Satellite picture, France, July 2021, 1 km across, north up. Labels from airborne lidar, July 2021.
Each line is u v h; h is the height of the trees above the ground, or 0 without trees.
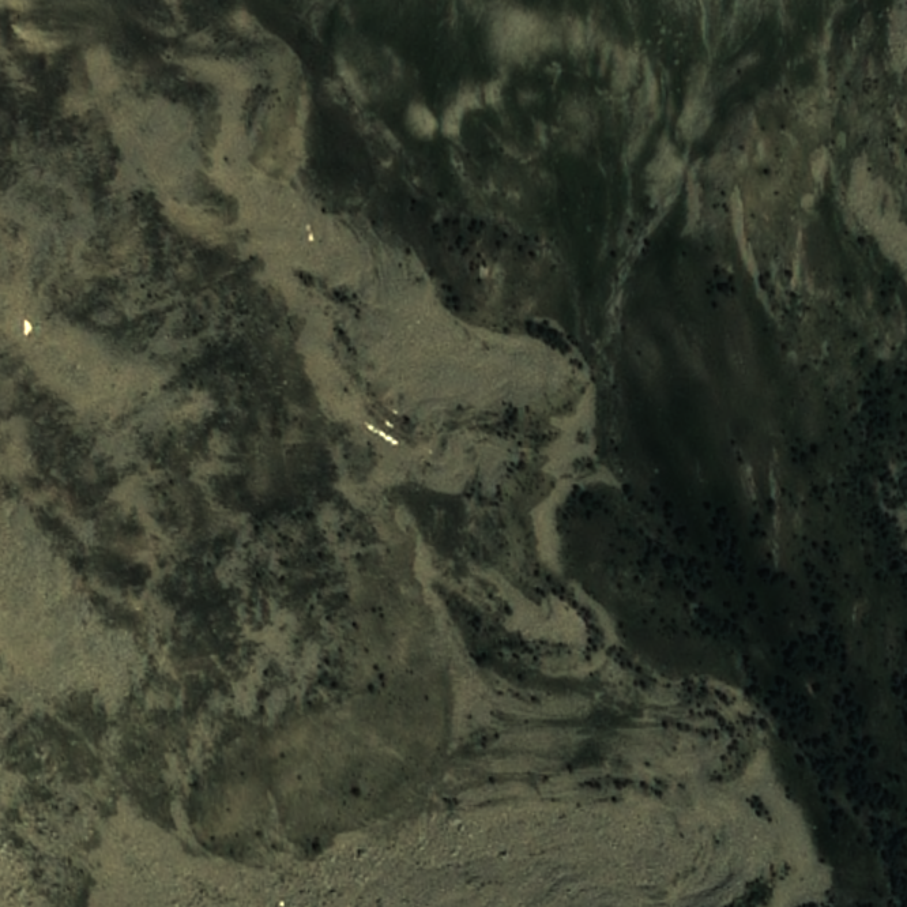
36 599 0
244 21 0
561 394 0
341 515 0
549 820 0
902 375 12
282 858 0
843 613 0
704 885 0
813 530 0
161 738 0
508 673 0
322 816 0
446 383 0
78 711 0
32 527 0
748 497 0
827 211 0
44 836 0
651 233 0
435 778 0
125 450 0
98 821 0
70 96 0
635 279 0
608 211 0
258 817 0
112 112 0
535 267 0
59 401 0
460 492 0
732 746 7
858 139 0
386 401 0
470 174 0
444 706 0
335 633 0
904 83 0
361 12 0
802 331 0
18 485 0
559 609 0
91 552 0
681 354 0
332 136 0
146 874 0
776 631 0
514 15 0
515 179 0
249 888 0
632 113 0
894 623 0
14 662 0
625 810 0
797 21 0
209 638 0
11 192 0
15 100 0
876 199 0
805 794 0
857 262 0
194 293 0
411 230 0
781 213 0
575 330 0
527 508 0
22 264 0
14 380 0
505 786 0
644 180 0
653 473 0
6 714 0
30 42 0
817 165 0
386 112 0
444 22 0
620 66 0
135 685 0
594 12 0
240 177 0
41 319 0
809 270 0
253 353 0
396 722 0
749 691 8
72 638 0
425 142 0
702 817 0
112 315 0
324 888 0
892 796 15
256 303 0
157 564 0
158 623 0
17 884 0
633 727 0
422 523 0
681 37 0
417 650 0
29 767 0
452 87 0
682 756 0
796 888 0
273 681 0
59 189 0
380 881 0
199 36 0
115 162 0
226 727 0
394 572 0
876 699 0
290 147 0
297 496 0
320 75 0
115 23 0
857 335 7
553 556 0
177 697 0
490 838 0
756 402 0
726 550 19
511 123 0
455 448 0
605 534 0
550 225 0
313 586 0
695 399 0
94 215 0
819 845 0
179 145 0
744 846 0
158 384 0
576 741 0
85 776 0
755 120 0
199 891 0
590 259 0
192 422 0
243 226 0
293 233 0
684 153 0
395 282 0
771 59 0
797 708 14
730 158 0
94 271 0
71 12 0
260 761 0
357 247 0
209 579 0
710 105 0
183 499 0
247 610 0
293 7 0
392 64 0
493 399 0
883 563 0
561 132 0
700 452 0
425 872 0
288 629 0
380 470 0
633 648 0
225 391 0
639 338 0
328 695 0
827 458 0
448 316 0
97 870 0
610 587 0
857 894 0
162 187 0
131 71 0
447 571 0
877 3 0
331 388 0
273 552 0
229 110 0
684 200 0
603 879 0
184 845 0
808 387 0
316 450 0
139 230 0
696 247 0
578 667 0
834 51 0
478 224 10
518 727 0
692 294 0
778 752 0
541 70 0
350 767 0
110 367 0
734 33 0
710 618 17
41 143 0
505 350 0
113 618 0
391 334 0
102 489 0
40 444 0
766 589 0
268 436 0
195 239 0
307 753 0
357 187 0
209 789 0
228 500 0
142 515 0
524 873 0
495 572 0
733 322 0
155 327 0
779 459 0
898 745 0
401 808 0
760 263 0
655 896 0
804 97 0
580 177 0
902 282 0
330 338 0
